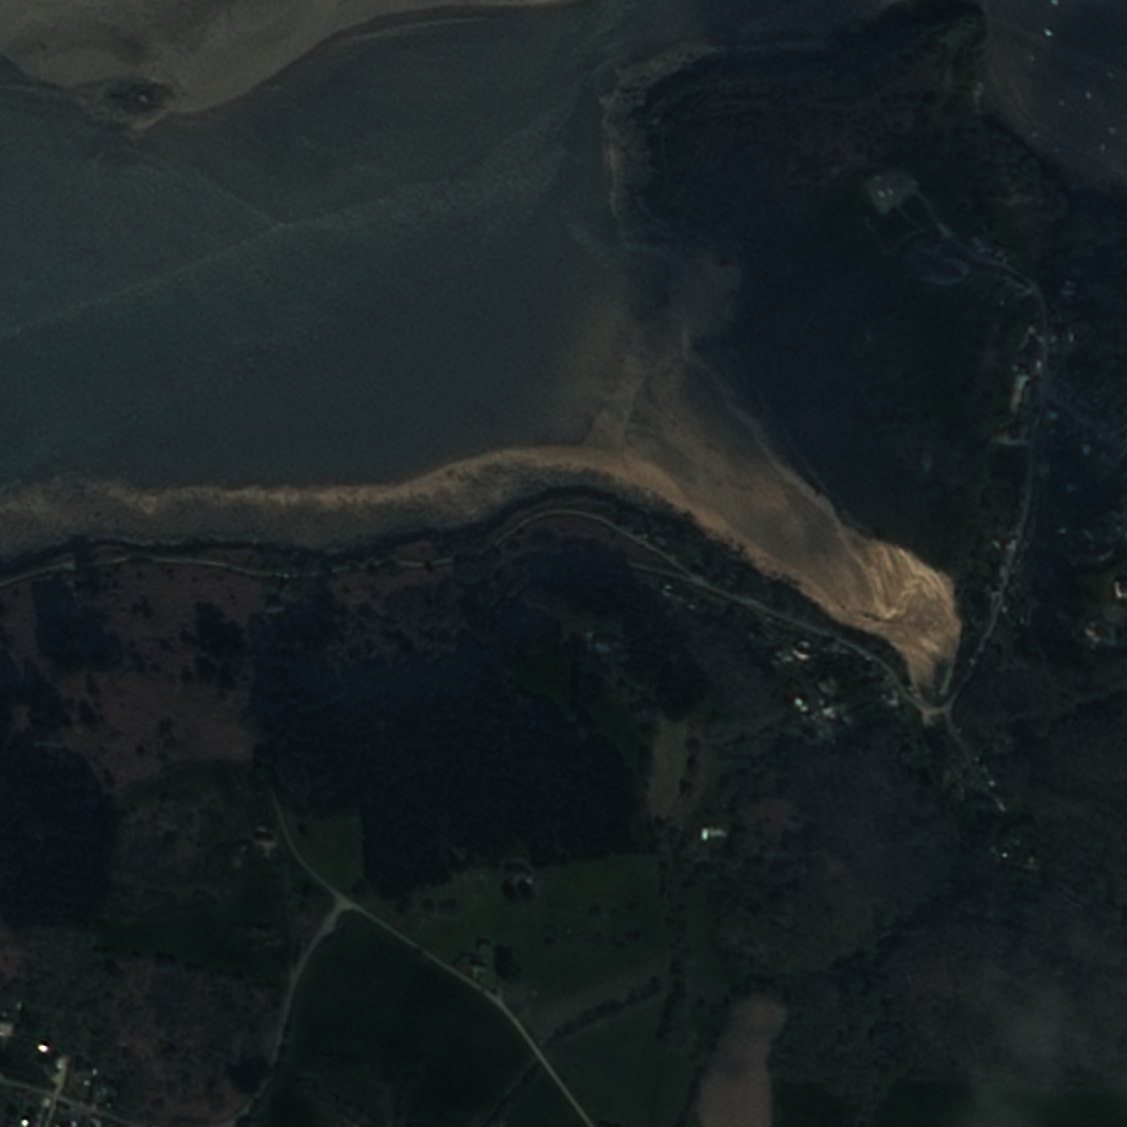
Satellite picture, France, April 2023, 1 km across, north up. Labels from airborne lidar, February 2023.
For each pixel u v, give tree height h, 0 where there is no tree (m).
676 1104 0
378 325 0
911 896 24
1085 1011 16
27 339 0
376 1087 0
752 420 0
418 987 0
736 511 0
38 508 0
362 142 0
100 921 15
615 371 0
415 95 0
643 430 0
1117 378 11
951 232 0
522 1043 0
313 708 30
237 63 0
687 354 0
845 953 9
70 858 24
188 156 0
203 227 0
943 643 0
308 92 0
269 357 0
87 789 7
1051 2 0
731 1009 7
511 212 0
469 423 0
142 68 0
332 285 0
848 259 0
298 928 0
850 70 18
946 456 10
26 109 0
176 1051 6
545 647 18
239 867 0
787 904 10
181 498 0
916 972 21
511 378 0
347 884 0
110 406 0
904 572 0
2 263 0
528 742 31
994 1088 12
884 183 0
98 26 0
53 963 9
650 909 0
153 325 0
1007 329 7
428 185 0
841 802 22
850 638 5
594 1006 0
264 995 10
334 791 28
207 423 0
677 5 0
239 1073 17
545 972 0
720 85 8
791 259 9
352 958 0
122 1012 9
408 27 0
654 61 0
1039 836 18
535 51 0
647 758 12
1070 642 19
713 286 0
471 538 8
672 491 0
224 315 0
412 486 0
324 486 0
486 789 32
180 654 0
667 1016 11
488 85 0
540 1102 0
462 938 0
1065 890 13
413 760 30
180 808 6
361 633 7
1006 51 0
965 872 12
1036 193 17
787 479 0
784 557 0
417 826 30
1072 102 0
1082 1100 0
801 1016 13
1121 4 0
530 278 0
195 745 0
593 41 0
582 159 0
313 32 0
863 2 0
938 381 0
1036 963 21
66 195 0
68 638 23
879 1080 17
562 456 0
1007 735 11
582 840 19
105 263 0
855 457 7
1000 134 18
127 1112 8
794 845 11
